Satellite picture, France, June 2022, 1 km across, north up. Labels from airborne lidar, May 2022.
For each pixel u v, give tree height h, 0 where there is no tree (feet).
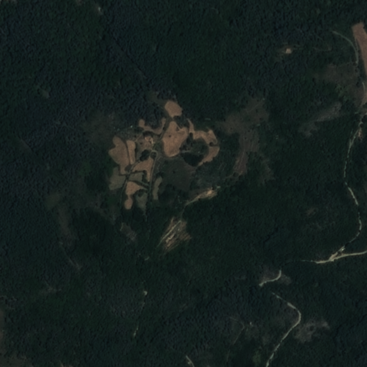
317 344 38
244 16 79
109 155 0
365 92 0
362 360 57
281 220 37
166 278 55
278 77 53
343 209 69
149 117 38
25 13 63
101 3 44
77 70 50
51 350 61
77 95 67
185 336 44
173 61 64
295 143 52
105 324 59
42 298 25
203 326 58
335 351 84
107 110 20
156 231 46
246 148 0
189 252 41
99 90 68
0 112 46
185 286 33
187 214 34
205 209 23
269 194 39
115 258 69
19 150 28
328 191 49
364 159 63
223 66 48
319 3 53
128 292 47
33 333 66
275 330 35
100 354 88
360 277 47
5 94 48
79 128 34
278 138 18
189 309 53
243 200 36
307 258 23
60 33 53
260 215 49
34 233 104
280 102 59
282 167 60
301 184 50
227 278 48
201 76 48
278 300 34
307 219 22
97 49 62
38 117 47
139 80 60
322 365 80
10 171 69
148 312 44
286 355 40
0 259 29
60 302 31
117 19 67
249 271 36
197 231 27
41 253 90
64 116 57
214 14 38
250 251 49
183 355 48
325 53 25
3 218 88
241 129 0
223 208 23
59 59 41
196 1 38
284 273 44
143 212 34
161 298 46
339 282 41
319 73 0
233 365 36
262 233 47
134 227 37
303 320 33
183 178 0
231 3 45
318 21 19
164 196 40
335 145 48
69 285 32
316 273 41
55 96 35
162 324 44
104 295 66
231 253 41
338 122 42
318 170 48
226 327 45
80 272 28
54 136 44
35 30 36
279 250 73
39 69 19
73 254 46
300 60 56
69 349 55
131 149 0
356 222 31
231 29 62
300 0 79
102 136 0
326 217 35
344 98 43
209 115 38
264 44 51
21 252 100
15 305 54
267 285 52
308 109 20
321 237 22
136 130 22
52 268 50
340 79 0
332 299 60
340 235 26
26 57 65
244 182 35
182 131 0
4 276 45
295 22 55
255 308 104
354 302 18
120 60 54
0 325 0
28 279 42
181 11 48
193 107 52
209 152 0
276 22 69
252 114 0
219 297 90
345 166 25
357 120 29
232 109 40
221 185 29
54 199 0
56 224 82
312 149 59
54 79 47
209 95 50
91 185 28
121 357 68
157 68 68
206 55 50
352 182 41
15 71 45
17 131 62
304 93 46
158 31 54
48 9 55
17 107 44
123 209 39
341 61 28
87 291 34
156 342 60
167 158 0
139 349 48
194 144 19
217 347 36
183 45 74
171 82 23
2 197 37
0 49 45
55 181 43
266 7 54
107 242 51
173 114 0
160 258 24
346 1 51
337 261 27
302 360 38
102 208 51
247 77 53
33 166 59
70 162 54
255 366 55
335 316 76
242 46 47
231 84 57
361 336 175
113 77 51
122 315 52
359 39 0
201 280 42
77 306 48
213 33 51
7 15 29
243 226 38
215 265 45
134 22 65
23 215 92
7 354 35
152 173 0
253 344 41
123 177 0
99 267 38
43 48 50
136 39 68
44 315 50
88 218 20
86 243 26
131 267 55
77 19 40
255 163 22
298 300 43
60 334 48
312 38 65
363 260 46
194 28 50
